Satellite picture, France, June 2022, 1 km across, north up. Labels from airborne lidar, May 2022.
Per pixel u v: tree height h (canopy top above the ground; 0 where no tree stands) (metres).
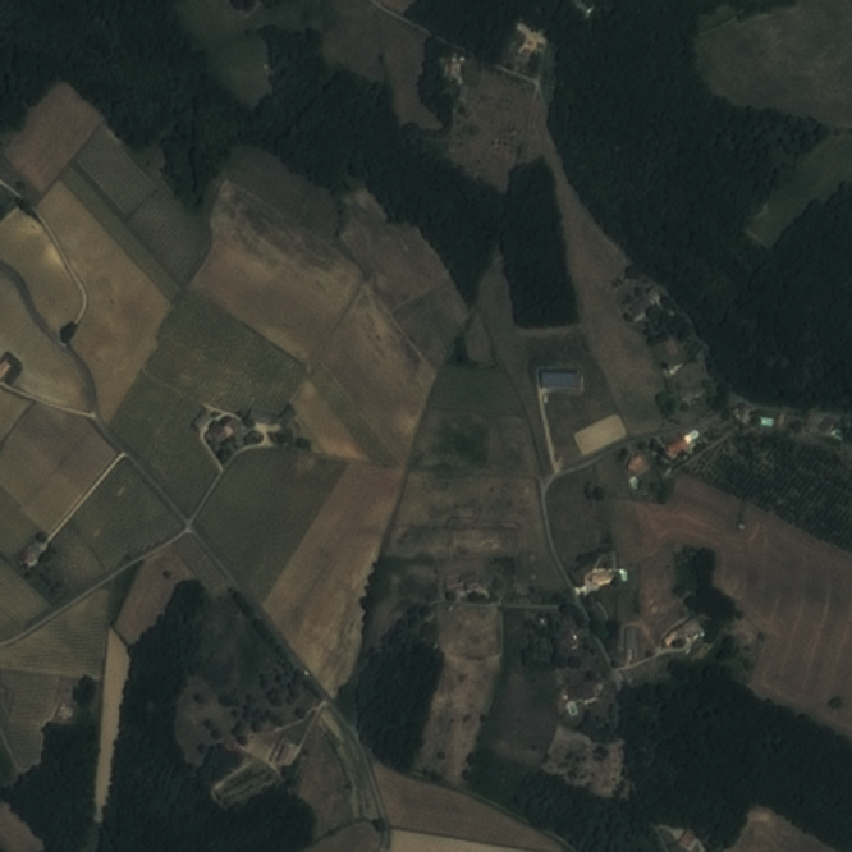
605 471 0
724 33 0
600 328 0
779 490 8
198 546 0
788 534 0
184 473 0
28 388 0
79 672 0
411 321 0
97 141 0
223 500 0
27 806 17
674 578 0
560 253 16
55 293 0
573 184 13
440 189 11
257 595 0
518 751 0
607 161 23
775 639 0
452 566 0
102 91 14
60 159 0
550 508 0
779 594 0
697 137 24
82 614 0
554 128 14
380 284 0
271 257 0
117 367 0
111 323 0
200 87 8
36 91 18
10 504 0
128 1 20
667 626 0
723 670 15
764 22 0
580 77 20
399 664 12
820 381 25
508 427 0
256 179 0
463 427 0
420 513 0
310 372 0
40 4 11
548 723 0
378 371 0
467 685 0
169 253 0
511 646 0
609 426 0
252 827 16
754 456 8
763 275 19
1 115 24
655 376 0
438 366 0
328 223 0
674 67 19
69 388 0
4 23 18
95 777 12
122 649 0
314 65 21
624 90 22
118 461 0
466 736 0
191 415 0
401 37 0
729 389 15
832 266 22
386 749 18
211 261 0
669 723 22
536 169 15
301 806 14
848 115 0
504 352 0
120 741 15
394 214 16
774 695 0
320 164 23
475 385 0
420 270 0
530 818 8
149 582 0
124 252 0
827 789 21
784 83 0
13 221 0
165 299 0
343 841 0
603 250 0
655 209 26
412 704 11
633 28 19
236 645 0
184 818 12
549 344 0
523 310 14
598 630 16
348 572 0
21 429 0
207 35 0
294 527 0
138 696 11
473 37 14
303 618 0
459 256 15
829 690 0
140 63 17
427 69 13
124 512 0
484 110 0
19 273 0
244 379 0
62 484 0
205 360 0
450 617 0
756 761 20
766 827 0
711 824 17
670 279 15
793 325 24
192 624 9
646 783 14
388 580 0
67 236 0
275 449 0
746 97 0
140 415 0
